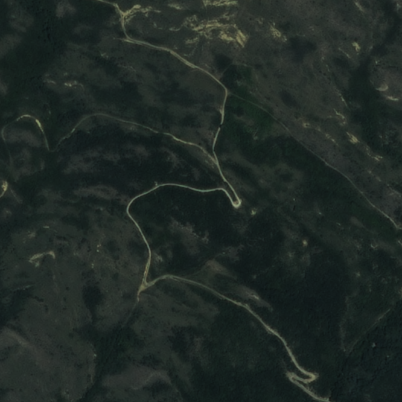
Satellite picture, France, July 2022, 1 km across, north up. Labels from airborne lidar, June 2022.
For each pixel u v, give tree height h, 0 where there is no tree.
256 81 0
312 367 8
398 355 8
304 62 0
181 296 0
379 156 0
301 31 0
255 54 0
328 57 0
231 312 8
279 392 9
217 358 7
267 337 8
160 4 0
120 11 0
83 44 0
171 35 0
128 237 0
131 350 0
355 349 11
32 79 14
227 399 6
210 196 6
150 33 0
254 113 6
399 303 11
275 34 0
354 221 0
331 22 0
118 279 0
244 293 0
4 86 0
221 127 12
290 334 6
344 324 6
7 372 0
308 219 0
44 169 7
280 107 0
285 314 8
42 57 8
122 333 12
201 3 0
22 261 0
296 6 0
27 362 0
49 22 10
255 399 9
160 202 9
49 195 0
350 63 0
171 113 0
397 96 0
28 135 0
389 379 8
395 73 0
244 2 0
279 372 8
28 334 0
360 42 0
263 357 9
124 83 9
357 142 0
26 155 0
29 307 0
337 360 7
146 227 7
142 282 0
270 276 10
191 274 0
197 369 7
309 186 8
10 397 0
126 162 5
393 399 7
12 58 5
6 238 6
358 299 7
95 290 5
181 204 6
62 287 0
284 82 0
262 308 7
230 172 0
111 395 0
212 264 0
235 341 8
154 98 0
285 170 0
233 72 7
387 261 7
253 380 7
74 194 0
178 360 0
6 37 0
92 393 12
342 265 6
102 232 0
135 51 0
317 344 11
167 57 0
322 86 0
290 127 0
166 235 0
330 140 0
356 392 7
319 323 6
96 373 6
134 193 8
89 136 7
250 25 0
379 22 0
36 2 10
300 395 7
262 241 6
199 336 6
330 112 0
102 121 0
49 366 0
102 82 0
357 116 10
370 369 9
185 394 7
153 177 6
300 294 9
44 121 6
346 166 0
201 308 0
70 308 0
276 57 0
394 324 13
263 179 0
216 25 0
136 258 0
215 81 0
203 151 0
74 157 0
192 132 0
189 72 0
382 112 7
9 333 0
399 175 0
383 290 9
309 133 0
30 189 7
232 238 7
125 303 0
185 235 0
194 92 0
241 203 0
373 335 15
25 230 0
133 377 0
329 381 6
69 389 0
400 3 0
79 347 0
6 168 0
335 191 8
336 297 8
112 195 0
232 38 0
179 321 0
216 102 0
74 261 0
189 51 0
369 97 6
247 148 8
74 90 0
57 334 0
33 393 0
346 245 0
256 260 7
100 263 0
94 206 0
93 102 0
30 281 0
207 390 9
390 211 0
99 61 10
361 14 0
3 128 0
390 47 0
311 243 6
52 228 0
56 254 0
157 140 6
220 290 0
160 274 0
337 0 0
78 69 0
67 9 0
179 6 0
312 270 7
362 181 0
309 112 0
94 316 6
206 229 5
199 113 0
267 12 0
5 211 0
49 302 0
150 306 0
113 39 0
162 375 0
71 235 0
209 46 0
